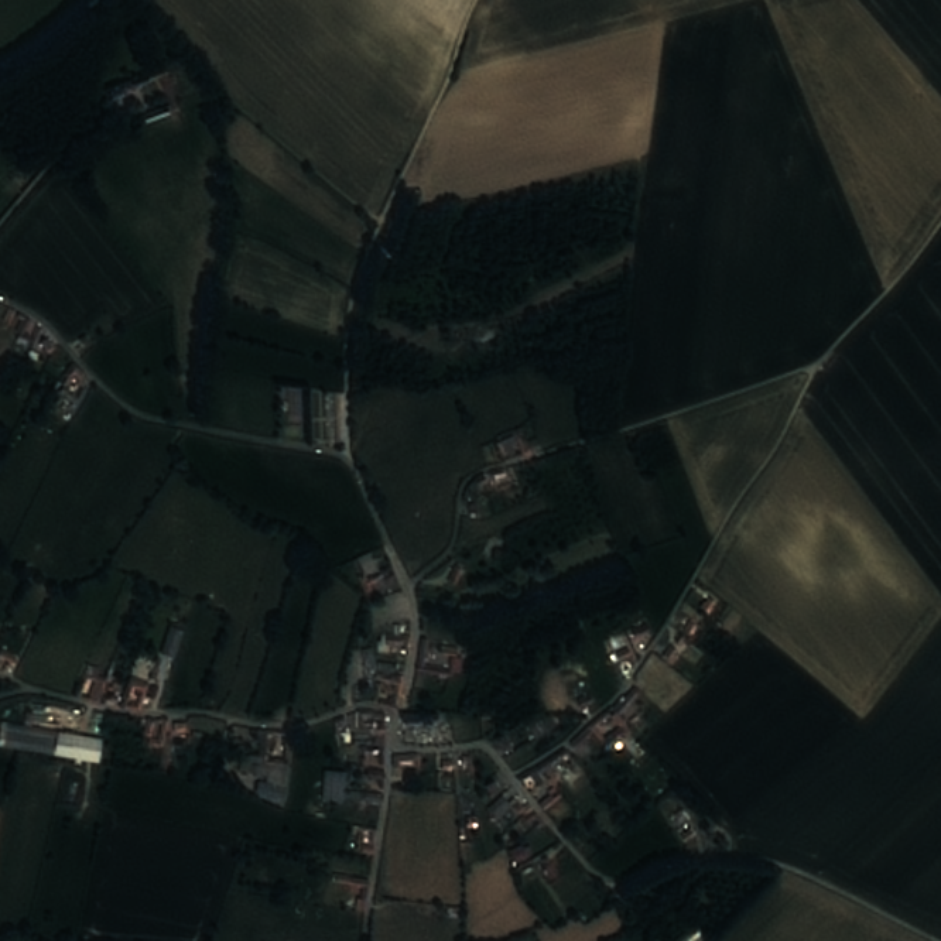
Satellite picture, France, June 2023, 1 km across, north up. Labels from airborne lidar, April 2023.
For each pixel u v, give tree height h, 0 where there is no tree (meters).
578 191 8
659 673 0
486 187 0
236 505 7
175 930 0
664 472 0
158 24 28
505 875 0
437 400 0
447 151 0
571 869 0
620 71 0
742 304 0
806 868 0
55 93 37
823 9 0
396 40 0
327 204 0
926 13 0
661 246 0
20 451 0
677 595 0
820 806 0
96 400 0
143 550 0
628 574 29
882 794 0
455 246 17
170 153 0
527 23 0
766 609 0
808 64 0
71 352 0
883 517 0
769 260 0
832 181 0
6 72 36
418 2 0
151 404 0
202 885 0
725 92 0
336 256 0
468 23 0
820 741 0
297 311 0
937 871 0
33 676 0
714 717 0
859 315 0
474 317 7
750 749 0
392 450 0
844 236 0
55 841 0
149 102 13
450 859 0
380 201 0
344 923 0
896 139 0
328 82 0
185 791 0
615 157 0
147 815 0
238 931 0
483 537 0
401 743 0
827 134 0
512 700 13
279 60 0
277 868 0
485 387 0
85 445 0
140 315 0
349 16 0
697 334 0
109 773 8
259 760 0
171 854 0
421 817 0
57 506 0
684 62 0
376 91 0
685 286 0
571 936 0
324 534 0
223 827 0
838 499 0
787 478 0
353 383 9
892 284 0
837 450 0
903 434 0
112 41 17
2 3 0
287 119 0
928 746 0
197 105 0
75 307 0
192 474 16
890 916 0
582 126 0
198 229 0
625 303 11
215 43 0
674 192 0
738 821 0
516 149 0
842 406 0
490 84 0
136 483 0
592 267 0
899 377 0
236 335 10
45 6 0
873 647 0
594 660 0
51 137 36
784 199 0
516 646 16
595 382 23
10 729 0
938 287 0
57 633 0
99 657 0
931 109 0
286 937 0
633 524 0
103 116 29
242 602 0
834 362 0
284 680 0
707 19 0
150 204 0
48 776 0
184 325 0
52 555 0
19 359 13
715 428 0
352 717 0
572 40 0
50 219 0
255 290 0
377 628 0
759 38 0
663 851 0
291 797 0
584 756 0
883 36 0
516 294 10
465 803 0
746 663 0
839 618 0
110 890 0
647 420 0
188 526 0
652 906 16
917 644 0
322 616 0
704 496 0
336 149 0
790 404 0
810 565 0
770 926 0
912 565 0
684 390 0
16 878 0
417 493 0
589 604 29
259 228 0
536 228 12
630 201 8
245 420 0
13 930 15
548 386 0
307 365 0
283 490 0
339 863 0
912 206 0
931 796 0
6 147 30
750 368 0
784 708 0
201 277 0
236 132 0
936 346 0
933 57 0
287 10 0
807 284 0
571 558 0
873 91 0
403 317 9
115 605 0
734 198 0
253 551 0
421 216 18
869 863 0
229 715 0
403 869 0
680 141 0
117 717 6
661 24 0
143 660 0
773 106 0
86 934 0
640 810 13
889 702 0
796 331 0
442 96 0
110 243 0
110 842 0
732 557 0
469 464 0
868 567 0
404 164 0
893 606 0
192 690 0
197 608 0
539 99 0
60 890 0
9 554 14
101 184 0
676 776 7
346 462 0
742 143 0
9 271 0
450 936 0
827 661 0
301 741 30
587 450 9
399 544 0
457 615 30
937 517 0
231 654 0
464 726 0
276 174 0
